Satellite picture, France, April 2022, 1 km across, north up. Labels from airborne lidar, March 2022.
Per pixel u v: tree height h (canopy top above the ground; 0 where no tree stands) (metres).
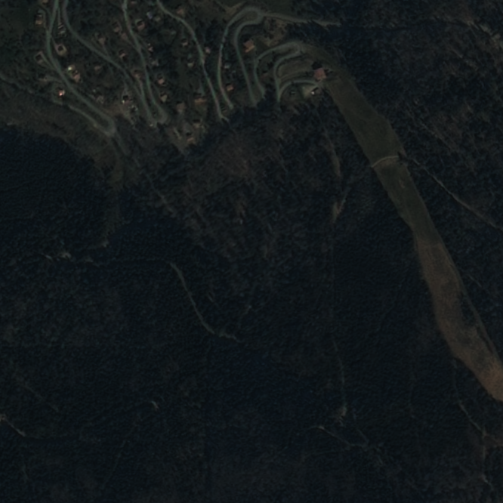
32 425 13
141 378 19
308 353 17
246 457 27
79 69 0
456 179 24
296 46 0
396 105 20
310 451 17
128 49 0
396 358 18
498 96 37
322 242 13
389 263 15
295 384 17
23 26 0
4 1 8
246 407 30
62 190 22
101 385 18
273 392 24
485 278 22
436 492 27
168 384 23
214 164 35
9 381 20
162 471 17
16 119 17
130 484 22
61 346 22
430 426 7
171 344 20
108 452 17
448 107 39
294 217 14
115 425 15
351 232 15
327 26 0
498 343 14
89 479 22
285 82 0
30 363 17
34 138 20
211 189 37
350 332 14
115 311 25
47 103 24
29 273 25
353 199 16
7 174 21
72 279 23
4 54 14
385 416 10
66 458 19
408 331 18
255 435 20
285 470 21
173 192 31
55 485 22
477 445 10
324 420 13
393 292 13
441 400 15
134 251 24
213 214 10
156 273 16
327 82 0
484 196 25
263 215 35
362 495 15
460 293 0
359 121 0
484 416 15
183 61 11
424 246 0
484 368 0
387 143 0
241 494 23
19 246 23
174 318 20
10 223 17
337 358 11
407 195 0
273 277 24
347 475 17
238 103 12
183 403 21
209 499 23
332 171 16
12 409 12
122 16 11
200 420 18
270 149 31
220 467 21
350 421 8
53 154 24
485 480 9
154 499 21
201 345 23
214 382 31
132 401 23
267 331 13
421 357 14
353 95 0
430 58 16
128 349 25
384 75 29
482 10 45
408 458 15
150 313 24
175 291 26
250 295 22
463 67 41
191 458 30
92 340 25
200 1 0
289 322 12
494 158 18
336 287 12
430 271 0
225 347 24
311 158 32
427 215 0
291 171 32
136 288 22
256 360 14
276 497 19
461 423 14
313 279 14
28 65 8
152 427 19
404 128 20
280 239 34
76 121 22
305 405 19
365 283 13
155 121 0
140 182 10
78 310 26
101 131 0
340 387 13
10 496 22
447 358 14
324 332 14
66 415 10
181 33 6
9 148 24
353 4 14
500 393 0
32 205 19
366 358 14
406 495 11
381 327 15
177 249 24
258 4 0
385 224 21
